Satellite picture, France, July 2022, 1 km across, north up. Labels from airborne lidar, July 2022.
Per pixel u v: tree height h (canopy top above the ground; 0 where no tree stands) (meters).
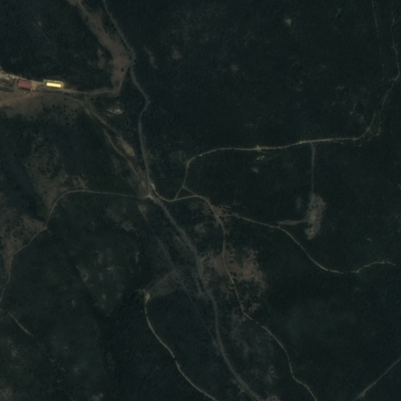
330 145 6
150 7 8
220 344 0
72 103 0
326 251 6
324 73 6
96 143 9
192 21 7
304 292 12
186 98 6
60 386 15
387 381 11
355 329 6
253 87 6
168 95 6
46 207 0
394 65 12
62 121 0
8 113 0
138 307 7
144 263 7
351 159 7
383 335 12
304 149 6
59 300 7
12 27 8
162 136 10
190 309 6
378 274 10
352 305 9
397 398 10
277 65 8
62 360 6
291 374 6
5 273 0
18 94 0
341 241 6
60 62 7
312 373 7
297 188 8
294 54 6
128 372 7
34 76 10
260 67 8
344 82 7
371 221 13
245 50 6
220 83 6
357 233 6
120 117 0
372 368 12
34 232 0
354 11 11
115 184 0
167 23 5
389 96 10
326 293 15
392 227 7
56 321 5
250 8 7
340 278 13
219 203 7
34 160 0
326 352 8
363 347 11
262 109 6
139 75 6
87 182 0
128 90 7
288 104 8
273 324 6
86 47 7
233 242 7
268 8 8
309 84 7
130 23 7
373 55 10
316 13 8
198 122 6
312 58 8
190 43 6
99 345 9
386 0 7
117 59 0
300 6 9
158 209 7
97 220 8
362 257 6
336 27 7
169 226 7
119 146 0
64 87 0
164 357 8
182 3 8
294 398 5
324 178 7
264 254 8
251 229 8
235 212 7
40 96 0
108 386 6
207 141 8
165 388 6
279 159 7
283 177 7
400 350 8
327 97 9
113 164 0
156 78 6
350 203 13
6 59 7
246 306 7
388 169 10
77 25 6
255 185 7
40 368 8
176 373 7
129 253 9
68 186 0
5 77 0
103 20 0
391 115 8
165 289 0
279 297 5
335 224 7
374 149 9
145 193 0
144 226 8
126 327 7
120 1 8
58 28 8
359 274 6
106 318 6
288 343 5
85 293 7
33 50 9
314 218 0
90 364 7
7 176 7
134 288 7
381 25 10
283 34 7
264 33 7
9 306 7
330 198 6
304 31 8
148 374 9
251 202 8
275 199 8
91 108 0
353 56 9
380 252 8
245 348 0
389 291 6
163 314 6
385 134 10
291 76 9
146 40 8
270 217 7
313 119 8
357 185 10
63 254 6
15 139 0
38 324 7
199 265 0
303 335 6
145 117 7
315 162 7
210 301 6
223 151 6
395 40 8
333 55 8
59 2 7
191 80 5
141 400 8
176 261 7
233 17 6
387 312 7
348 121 6
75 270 8
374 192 6
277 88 7
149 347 10
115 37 0
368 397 7
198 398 6
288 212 7
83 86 8
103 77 6
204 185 7
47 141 8
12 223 0
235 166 7
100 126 0
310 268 6
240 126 7
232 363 7
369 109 9
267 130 9
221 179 10
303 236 6
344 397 7
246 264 0
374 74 6
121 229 7
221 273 0
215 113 6
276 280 6
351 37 11
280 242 8
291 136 7
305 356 6
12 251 0
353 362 7
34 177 0
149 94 8
